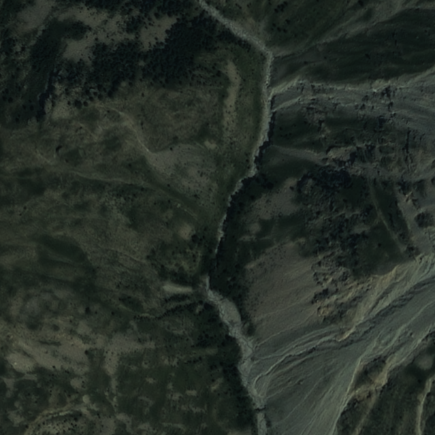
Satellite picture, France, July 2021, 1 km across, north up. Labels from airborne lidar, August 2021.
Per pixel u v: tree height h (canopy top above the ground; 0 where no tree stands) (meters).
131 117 0
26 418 0
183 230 0
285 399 0
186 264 0
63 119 0
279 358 0
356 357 0
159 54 15
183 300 6
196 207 0
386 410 0
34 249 0
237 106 0
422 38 0
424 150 0
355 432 0
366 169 0
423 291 0
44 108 0
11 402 0
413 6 0
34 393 0
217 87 0
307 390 0
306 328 0
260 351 0
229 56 0
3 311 0
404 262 0
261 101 0
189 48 19
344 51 0
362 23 0
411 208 0
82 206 0
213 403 0
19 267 0
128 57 17
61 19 0
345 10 0
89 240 0
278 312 0
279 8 11
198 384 0
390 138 0
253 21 0
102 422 0
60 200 0
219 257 18
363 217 0
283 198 0
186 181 0
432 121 0
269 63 0
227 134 0
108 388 0
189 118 0
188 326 0
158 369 0
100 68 7
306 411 0
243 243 0
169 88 0
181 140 0
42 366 0
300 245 0
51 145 0
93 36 0
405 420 0
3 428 0
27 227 0
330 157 0
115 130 0
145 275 0
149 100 0
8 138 0
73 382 0
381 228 0
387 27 0
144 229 0
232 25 0
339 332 0
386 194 0
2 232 0
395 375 0
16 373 0
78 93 0
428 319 0
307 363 0
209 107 0
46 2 0
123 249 0
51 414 0
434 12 0
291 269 0
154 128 0
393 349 0
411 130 0
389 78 0
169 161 0
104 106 0
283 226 0
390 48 0
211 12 0
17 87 8
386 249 0
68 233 0
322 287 0
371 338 0
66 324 0
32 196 0
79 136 0
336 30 0
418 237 0
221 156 0
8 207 0
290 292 0
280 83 0
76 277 0
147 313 0
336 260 0
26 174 0
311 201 0
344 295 0
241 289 9
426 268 0
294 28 0
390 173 0
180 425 0
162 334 0
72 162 0
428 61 0
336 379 0
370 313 0
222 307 0
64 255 0
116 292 0
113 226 0
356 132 0
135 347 0
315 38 0
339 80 0
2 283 0
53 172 0
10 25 0
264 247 0
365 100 0
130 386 0
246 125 0
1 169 0
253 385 0
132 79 13
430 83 0
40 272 0
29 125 0
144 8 18
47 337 0
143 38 0
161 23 0
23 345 0
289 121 0
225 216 0
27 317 0
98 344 0
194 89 0
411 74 0
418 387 0
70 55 0
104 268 0
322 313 0
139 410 0
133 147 0
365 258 0
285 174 0
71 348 0
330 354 0
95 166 0
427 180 0
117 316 0
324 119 0
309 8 0
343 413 0
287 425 0
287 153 0
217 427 0
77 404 0
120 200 0
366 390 0
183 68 20
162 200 0
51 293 0
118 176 0
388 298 0
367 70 0
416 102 0
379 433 0
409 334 0
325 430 0
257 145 0
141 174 0
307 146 0
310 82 0
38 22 0
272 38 0
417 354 0
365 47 0
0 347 0
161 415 0
